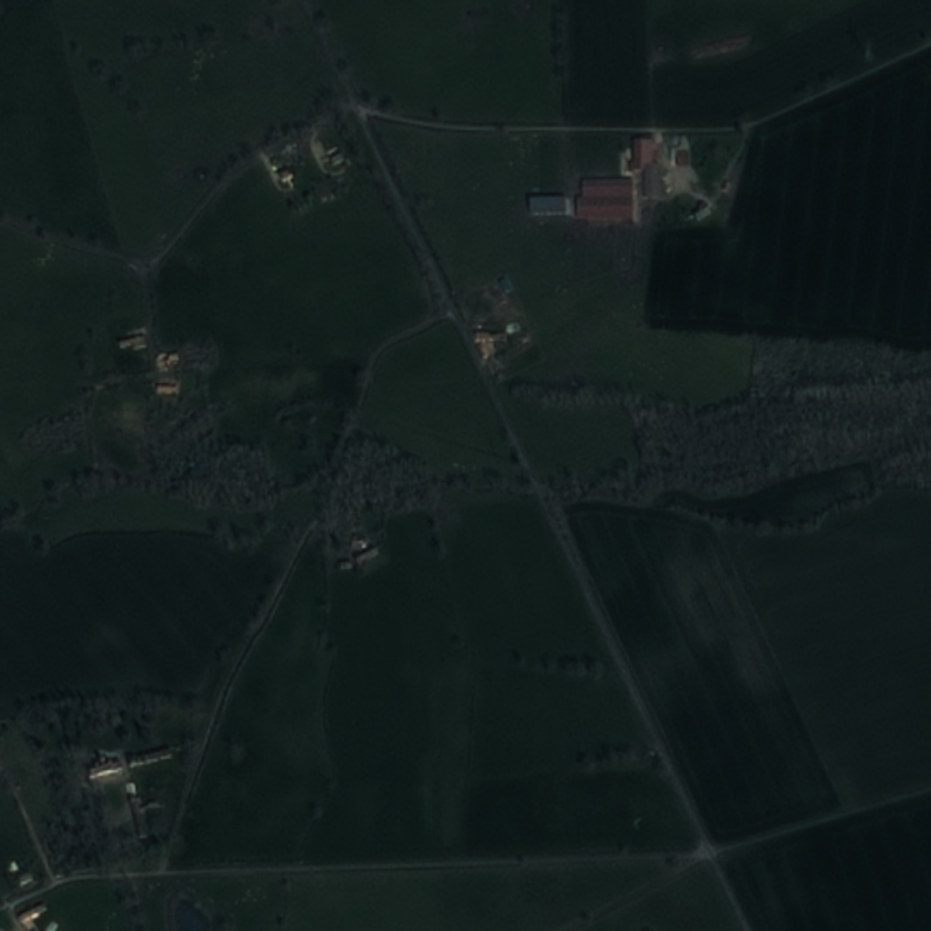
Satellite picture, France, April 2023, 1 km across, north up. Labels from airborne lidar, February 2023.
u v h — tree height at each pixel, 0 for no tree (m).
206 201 0
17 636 0
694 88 0
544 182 0
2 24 0
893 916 0
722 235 0
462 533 0
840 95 0
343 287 0
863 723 0
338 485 26
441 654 0
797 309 0
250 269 0
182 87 0
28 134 0
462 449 0
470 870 0
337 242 0
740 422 18
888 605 0
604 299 0
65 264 0
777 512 0
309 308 0
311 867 0
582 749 0
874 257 0
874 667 0
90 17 0
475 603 0
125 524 0
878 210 0
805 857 0
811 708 0
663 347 0
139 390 0
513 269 0
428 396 0
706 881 0
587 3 0
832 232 0
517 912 0
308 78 0
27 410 0
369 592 0
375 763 0
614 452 0
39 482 0
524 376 0
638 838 0
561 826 0
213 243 0
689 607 0
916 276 0
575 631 0
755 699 0
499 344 12
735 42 0
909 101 0
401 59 0
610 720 0
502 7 0
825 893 0
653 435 22
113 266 0
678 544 0
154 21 0
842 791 0
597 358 0
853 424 22
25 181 0
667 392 0
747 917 0
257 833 0
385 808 0
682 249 0
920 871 0
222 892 0
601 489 19
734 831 0
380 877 0
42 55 0
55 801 6
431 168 0
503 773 0
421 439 0
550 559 0
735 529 10
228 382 0
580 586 0
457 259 0
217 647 0
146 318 0
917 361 6
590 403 32
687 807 0
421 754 0
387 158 12
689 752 0
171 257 0
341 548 19
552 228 0
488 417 0
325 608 14
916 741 0
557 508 12
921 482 6
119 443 0
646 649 0
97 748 0
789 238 0
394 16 0
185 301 0
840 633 0
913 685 0
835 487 0
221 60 0
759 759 0
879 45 0
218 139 0
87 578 0
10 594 0
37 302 0
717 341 0
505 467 0
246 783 0
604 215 0
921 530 0
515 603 0
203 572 0
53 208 0
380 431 0
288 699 0
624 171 0
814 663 0
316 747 0
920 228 0
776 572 0
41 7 0
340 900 0
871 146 0
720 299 0
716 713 0
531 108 0
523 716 0
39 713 18
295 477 0
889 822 0
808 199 0
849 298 0
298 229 0
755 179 0
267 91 0
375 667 0
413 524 0
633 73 0
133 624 0
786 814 0
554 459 0
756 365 6
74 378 0
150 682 0
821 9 0
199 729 0
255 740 0
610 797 0
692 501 0
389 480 25
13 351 0
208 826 0
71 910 0
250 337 0
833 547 0
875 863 0
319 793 0
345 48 0
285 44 0
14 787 16
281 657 0
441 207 0
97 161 0
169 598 0
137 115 10
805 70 0
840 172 0
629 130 0
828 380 9
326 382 0
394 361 0
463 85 0
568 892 0
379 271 0
